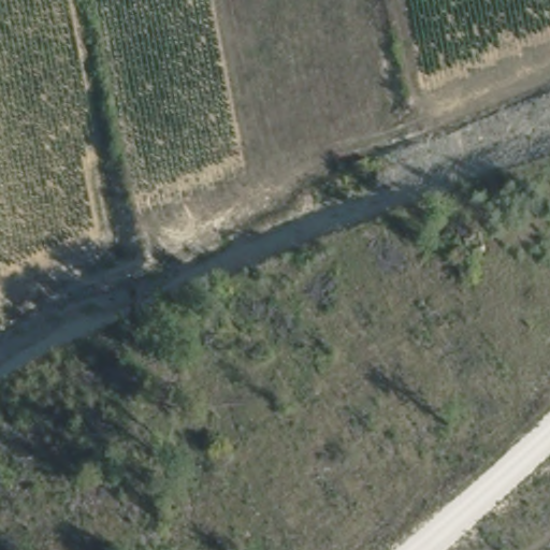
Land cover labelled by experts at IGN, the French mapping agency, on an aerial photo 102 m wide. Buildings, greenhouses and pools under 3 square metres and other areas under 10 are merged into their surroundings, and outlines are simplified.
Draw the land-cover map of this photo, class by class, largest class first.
<instances>
[{"label":"vineyard","instance_id":"1","mask_svg":"<svg viewBox=\"0 0 550 550\"><path fill-rule=\"evenodd\" d=\"M550 95V0H0V294L4 279L13 273H21L26 266H41L54 279L58 277V273L79 277V269L86 262H95L105 254L114 266L120 264L125 269L127 279H131L140 277L146 269L150 271L155 266L153 254L159 247H163L168 254L176 256L183 262H191L200 251H213L223 243L234 241L241 232L236 226L241 223L247 230L269 232L312 211L342 206L346 196L365 198L367 191L378 183V176L385 174V170H389L382 157L389 153L423 144L428 140L445 138L468 125L492 118L505 110H516L524 103H533Z\"/></svg>","mask_w":550,"mask_h":550},{"label":"coniferous trees","instance_id":"2","mask_svg":"<svg viewBox=\"0 0 550 550\"><path fill-rule=\"evenodd\" d=\"M320 254L292 251L284 254L281 258H271L262 262L258 266L260 279H249L241 275L228 277L223 271L193 279L187 286H180L178 290L165 292L163 303L150 305L148 309L131 318L116 320L112 324L95 329L84 337L62 344L60 348H52V352L41 354L37 361H28L26 370H15L6 378H0V550H292L294 546L305 544V535L296 526H288L281 513L273 511V503L269 498L275 471L271 434L292 440V445L307 440V436L316 434V428H307L314 417V406L331 404L337 397V389H329L327 382L318 376V357L331 354V348L320 339L318 327H314L312 331L299 329L301 303L305 296H309L316 303V309L322 314L331 312L337 305L331 296V290L335 286L333 277L337 266L333 262V256L337 254V249L327 236L320 238Z\"/></svg>","mask_w":550,"mask_h":550},{"label":"herbaceous vegetation","instance_id":"3","mask_svg":"<svg viewBox=\"0 0 550 550\"><path fill-rule=\"evenodd\" d=\"M531 234H541V241L546 243L544 260L535 262L526 256L524 249L518 251V258L511 260L507 254H501L496 249V258L483 269V279L479 286H473L468 277L462 284L449 277L443 271L438 256H434L432 262H423V258L417 260V254H421V241H402L395 232H391L385 226L361 223L327 236L337 249V254L333 256V262L337 266L333 277L335 286L331 290V296L337 305L331 312L322 314L316 309V303L309 296H305L301 303L299 329L312 331L314 327H318L320 339L331 348V354L318 357V376L327 382L329 389H337V397L331 404L314 406V417L307 428H316V434L307 436V440L292 445V440L271 434L275 471L269 498L273 503V511L281 513L288 526H296L305 535V544L294 546L292 550H393L397 544L408 539L423 522H428L436 511H440L453 498H458L468 486H473L486 471H490L516 443H520L522 436L535 430L539 421L550 413V213L544 217H531ZM449 550H550V455L544 462H539L535 471L526 475L509 494L496 501L494 509L479 518V522L473 529H468Z\"/></svg>","mask_w":550,"mask_h":550},{"label":"pervious surface","instance_id":"4","mask_svg":"<svg viewBox=\"0 0 550 550\"><path fill-rule=\"evenodd\" d=\"M526 150L550 153V95L533 103H524L516 110H505L492 118L468 125L445 138L428 140L423 144L389 153L382 157L389 170H385V174L378 176V183L367 191L365 198L346 196L342 206L312 211L269 232L247 230L241 223L236 226L241 232L234 241L223 243L213 251H200L191 262H183L176 256L168 254L163 247H159L153 254L155 266L150 271L146 269L140 277L131 279H127L125 269L120 264L114 266L105 254L95 262H86L79 269V277L58 273V277L54 279L41 266H26L21 273H13L4 279L0 294V378H6L15 370H26L28 361H37L41 354L52 352V348H60L62 344L84 337L95 329L112 324L116 320L131 318L148 309L150 305L163 303L165 292L178 290L180 286H187L193 279L223 271L228 277L241 275L249 279H260L258 266L262 262L271 258H281L284 254L292 251L320 254V238L327 236L361 223L385 226L380 221L382 213L395 215V208H404L406 202L419 204L432 215L430 202L434 193H443L447 198L455 183L468 187V176H479L488 172L492 165L505 168L507 163L524 161L529 157ZM550 455V413L539 421L535 430L522 436L520 443H516L490 471H486L473 486H468L458 498H453L440 511H436L428 522H423L408 539L397 544L393 550H449L468 529H473L479 522V518L494 509L496 501L509 494L526 475L535 471L539 462H544Z\"/></svg>","mask_w":550,"mask_h":550},{"label":"deciduous trees","instance_id":"5","mask_svg":"<svg viewBox=\"0 0 550 550\"><path fill-rule=\"evenodd\" d=\"M529 157L524 161L507 163L505 168L492 165L488 172L479 176H468V187L455 183L447 198L443 193H434L430 202L432 215L419 204L406 202L404 208H395V215L382 213L380 221L391 232H395L402 241H421V254H417V260L423 258V262H432L434 256H438L443 271L449 277L462 284L468 277L473 286H479L483 279V269L496 258V249L501 254H507L511 260L518 258V251L524 249L526 256L535 262L544 260L546 243L541 241V234H531V217H544L550 213V153L526 150Z\"/></svg>","mask_w":550,"mask_h":550}]
</instances>
